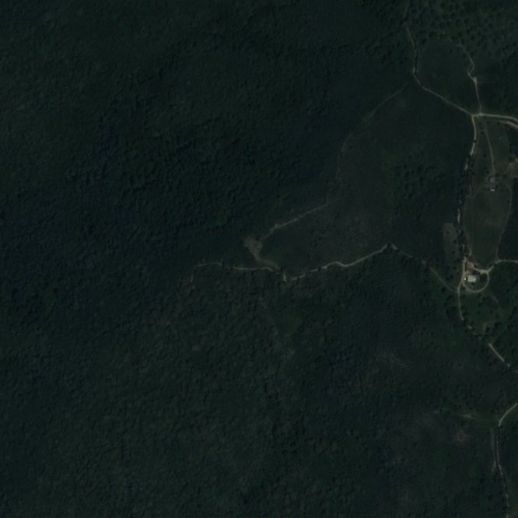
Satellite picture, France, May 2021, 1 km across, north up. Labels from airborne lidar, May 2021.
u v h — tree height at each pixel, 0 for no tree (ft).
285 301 20
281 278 37
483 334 33
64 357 36
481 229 0
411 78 19
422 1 36
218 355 18
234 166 60
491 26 59
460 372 0
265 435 52
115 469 40
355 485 40
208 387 43
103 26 30
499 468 20
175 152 63
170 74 39
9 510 21
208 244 22
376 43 63
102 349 39
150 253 41
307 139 27
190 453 36
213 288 38
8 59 43
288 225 18
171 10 22
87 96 62
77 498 43
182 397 44
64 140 62
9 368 22
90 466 35
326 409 35
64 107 47
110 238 43
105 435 37
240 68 18
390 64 24
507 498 34
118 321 26
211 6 26
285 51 67
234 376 18
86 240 45
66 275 47
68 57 19
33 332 40
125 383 20
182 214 25
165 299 37
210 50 42
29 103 30
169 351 32
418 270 29
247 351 31
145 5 24
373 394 18
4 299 65
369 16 27
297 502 20
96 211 67
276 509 22
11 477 24
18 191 83
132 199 55
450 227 0
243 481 27
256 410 34
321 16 28
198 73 27
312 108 31
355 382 20
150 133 53
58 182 100
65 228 49
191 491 71
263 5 23
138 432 20
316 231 20
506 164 0
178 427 43
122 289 32
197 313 47
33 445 30
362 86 20
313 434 28
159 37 45
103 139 51
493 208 0
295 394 47
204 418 36
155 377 18
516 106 40
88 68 38
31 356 44
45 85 36
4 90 47
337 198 0
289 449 70
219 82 35
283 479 35
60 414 33
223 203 50
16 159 50
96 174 53
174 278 22
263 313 28
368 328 18
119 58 27
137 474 22
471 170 28
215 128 41
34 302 53
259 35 61
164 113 45
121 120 62
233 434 28
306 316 24
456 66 0
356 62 21
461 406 27
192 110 33
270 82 25
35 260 56
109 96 78
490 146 0
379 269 21
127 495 46
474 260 22
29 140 38
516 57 58
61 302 24
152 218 53
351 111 22
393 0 28
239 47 45
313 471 23
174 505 32
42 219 29
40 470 22
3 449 26
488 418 0
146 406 39
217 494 37
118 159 75
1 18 43
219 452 34
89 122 78
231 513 32
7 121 25
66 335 28
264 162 57
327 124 23
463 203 18
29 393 22
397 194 21
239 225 42
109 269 31
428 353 22
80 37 26
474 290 0
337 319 48
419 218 29
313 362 46
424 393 29
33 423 23
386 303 23
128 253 37
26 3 38
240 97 26
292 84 23
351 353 29
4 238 77
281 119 32
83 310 33
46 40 36
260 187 23
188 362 47
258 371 40
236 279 27
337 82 20
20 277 65
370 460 19
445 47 0
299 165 24
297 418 61
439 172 47
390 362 19
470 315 45
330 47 41
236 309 21
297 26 33
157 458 19
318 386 22
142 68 28
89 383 30
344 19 20
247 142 29
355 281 29
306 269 25
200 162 66
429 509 26
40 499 33
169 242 29
